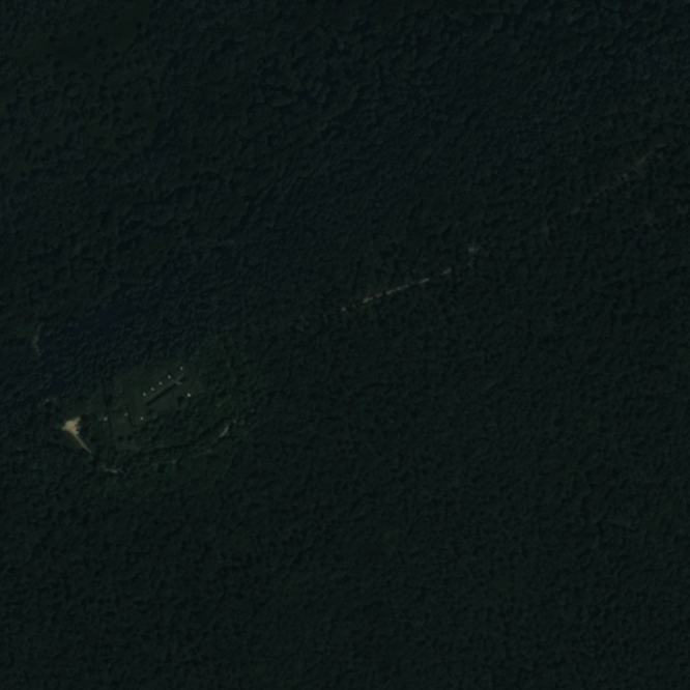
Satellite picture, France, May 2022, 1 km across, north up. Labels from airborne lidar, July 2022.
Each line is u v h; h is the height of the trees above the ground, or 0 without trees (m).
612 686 15
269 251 30
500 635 14
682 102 17
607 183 19
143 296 31
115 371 18
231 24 31
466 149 30
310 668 19
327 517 18
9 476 17
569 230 17
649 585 18
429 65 28
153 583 24
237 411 9
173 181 31
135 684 19
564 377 18
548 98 33
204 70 30
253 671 20
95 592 23
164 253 21
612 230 22
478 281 14
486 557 15
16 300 23
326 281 25
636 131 24
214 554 22
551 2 26
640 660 20
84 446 0
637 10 35
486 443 19
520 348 22
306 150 31
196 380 11
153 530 22
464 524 17
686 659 19
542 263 17
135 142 20
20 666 19
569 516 27
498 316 21
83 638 20
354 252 21
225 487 21
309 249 30
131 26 0
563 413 22
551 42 35
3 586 22
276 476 21
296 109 33
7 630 17
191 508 22
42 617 18
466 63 37
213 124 32
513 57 33
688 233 23
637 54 34
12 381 19
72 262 28
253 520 25
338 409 24
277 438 25
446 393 23
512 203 18
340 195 33
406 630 22
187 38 32
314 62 34
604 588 18
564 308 21
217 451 19
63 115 12
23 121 20
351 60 32
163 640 24
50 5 7
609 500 21
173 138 25
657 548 20
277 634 19
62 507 24
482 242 16
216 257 32
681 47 29
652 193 21
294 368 22
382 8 38
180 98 18
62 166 23
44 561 24
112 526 20
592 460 27
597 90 24
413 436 19
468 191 20
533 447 17
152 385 0
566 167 15
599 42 30
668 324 21
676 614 21
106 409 6
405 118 37
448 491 21
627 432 15
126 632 24
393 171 30
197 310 27
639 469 20
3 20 15
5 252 30
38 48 0
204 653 25
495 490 20
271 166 33
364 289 17
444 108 26
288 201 27
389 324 21
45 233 25
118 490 15
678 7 37
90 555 19
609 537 19
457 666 21
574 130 12
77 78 14
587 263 15
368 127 34
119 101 18
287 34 33
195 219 30
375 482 19
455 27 19
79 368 27
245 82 25
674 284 19
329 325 24
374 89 29
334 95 37
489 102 34
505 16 7
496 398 18
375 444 18
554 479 24
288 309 19
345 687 20
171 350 15
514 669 25
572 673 22
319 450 22
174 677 19
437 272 19
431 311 20
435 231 23
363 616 24
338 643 25
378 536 17
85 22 10
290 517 18
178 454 16
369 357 21
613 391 23
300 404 23
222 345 14
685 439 16
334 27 34
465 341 18
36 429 21
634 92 23
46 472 25
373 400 16
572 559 12
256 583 16
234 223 23
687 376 19
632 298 11
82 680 19
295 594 19
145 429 14
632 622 20
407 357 20
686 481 13
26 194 24
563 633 25
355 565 20
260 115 30
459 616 19
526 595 18
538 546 20
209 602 22
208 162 36
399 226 23
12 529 18
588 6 28
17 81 9
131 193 28
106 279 21
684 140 22
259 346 17
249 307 22
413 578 23
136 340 26
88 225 28
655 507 20
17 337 8
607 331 25
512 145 19
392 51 38
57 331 27
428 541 13
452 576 18
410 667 18
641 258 26
